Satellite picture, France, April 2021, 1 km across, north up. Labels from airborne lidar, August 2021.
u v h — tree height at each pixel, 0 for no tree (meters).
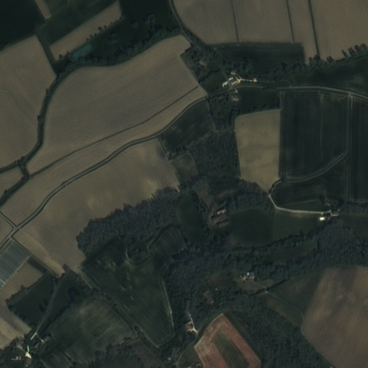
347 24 0
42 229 0
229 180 6
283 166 0
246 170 0
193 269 19
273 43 0
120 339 0
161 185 0
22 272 0
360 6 0
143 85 0
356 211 21
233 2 0
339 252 20
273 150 0
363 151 0
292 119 0
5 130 0
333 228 21
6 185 0
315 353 12
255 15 0
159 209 21
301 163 0
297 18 0
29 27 0
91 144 0
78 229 0
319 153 0
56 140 0
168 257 0
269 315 14
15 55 0
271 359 17
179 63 0
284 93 0
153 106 0
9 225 0
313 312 0
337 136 0
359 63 0
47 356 0
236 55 0
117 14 0
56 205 0
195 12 0
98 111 0
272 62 0
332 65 28
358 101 0
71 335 0
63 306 0
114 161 0
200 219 0
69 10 0
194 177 0
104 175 0
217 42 0
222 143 11
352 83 0
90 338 0
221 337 0
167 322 0
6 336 0
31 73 0
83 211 0
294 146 0
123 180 0
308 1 0
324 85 0
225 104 12
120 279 0
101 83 0
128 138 0
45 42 0
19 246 0
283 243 9
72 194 0
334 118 0
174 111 0
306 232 0
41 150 0
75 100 0
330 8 0
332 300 0
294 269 17
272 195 12
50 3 0
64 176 0
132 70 0
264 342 14
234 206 18
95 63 19
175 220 20
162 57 0
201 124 0
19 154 0
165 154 0
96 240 18
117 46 0
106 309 0
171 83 0
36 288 0
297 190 0
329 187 0
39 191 0
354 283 0
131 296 0
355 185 0
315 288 0
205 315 10
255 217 0
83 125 0
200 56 15
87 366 13
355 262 18
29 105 0
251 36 0
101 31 15
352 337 0
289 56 0
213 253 11
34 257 0
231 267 18
